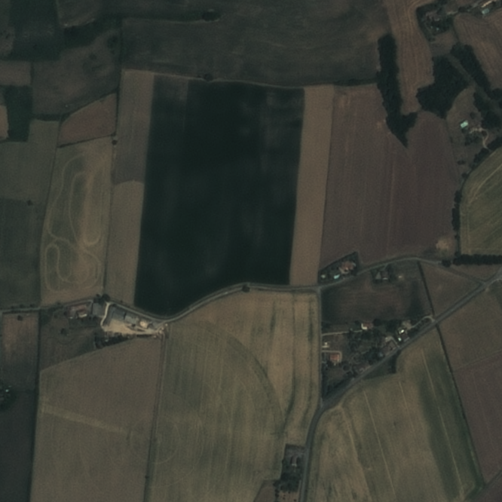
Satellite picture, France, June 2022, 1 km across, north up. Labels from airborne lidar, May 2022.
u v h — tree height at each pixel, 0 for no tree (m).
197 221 0
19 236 0
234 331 0
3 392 13
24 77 0
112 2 0
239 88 0
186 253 0
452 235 0
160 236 0
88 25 8
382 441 0
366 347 0
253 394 0
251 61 0
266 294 0
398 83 17
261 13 0
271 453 0
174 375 0
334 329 0
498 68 0
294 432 0
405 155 0
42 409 0
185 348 0
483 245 0
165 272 0
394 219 0
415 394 0
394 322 7
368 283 0
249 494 0
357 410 0
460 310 0
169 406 0
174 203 0
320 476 0
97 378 0
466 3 0
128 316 0
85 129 0
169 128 0
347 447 0
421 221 0
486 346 0
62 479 0
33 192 0
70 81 0
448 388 0
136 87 0
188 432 0
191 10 0
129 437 0
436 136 0
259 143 0
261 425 0
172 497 0
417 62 0
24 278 0
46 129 0
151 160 0
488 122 12
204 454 0
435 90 17
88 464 0
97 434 0
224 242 0
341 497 0
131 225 0
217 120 0
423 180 0
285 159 0
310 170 0
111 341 13
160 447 0
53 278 0
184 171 0
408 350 0
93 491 0
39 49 7
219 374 0
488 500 0
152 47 0
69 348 0
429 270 0
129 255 0
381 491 0
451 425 0
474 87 0
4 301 0
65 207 0
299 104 0
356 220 0
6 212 0
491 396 0
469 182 0
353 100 0
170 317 0
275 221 0
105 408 0
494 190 0
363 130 0
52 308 6
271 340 0
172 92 0
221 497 0
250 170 0
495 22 0
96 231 0
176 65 0
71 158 0
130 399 0
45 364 0
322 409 0
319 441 0
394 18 0
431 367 0
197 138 0
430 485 0
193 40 0
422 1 0
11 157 0
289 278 0
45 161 0
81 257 0
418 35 0
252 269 0
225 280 0
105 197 0
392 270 10
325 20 0
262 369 0
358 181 0
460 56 13
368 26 0
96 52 0
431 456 0
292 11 0
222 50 0
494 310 0
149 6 0
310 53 0
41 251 0
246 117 0
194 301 0
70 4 0
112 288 0
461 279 0
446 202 0
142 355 0
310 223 0
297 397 0
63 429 0
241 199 0
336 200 0
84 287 0
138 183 0
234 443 0
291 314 0
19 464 0
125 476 0
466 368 0
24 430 0
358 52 0
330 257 0
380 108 0
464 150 0
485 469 0
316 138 0
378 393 0
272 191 0
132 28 0
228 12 0
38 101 0
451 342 0
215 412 0
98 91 0
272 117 0
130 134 0
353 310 0
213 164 0
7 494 0
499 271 0
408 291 0
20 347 0
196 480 0
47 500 0
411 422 0
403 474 0
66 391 0
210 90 0
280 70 0
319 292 0
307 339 0
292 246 0
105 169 0
